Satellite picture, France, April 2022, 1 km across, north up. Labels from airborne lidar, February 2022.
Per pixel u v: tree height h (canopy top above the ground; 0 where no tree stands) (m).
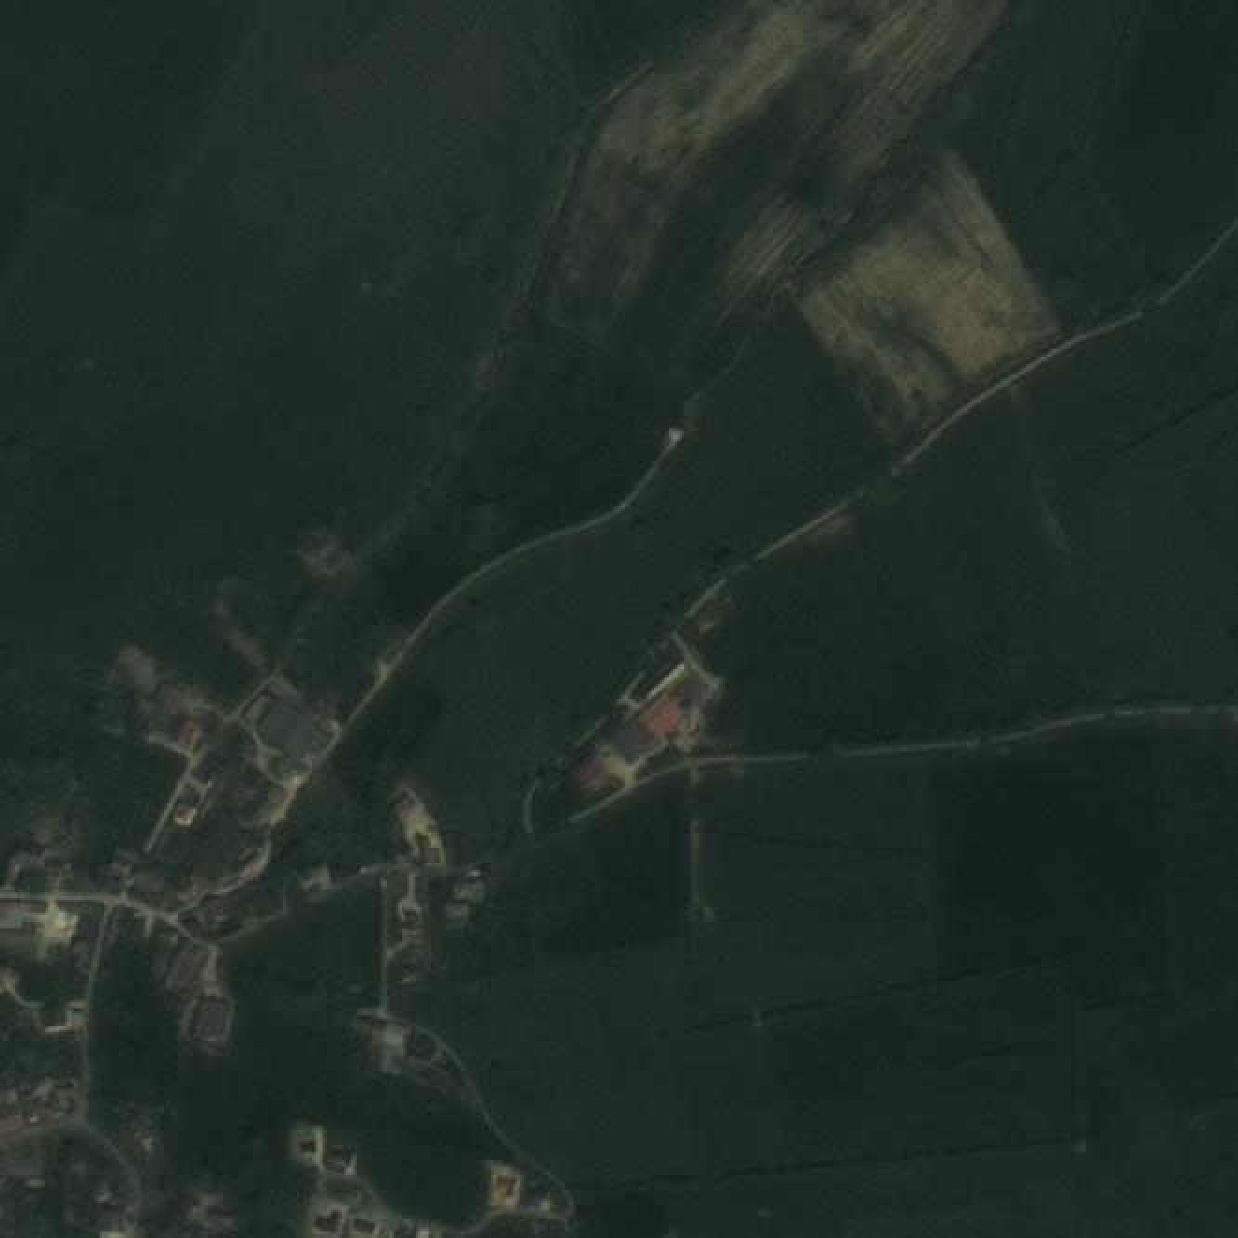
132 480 0
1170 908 0
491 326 0
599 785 0
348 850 0
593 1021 0
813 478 0
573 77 0
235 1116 0
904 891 0
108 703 8
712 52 0
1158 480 0
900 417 0
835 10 0
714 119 0
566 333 0
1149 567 0
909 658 0
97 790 0
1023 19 17
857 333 0
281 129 0
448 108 0
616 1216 0
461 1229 0
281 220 0
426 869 0
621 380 0
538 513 0
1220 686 0
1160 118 0
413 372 0
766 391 0
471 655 0
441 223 0
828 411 0
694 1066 0
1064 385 0
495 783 0
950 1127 0
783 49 0
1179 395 0
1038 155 0
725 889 0
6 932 0
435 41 0
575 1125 0
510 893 0
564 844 0
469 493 0
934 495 0
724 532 0
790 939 0
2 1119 0
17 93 0
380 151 0
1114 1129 0
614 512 0
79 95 0
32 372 0
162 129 0
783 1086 0
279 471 0
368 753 0
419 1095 0
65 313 0
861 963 0
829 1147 0
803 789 0
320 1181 0
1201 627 0
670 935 0
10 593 0
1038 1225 0
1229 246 0
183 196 0
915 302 0
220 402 0
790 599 0
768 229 0
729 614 0
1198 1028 0
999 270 0
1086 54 0
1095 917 0
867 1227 0
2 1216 0
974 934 0
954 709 0
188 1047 0
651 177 0
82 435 0
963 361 0
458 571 0
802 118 0
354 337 0
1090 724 0
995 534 0
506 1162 0
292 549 0
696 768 0
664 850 0
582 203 0
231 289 0
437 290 0
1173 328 0
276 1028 0
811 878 0
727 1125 0
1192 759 0
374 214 0
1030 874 0
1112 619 0
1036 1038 0
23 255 0
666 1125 0
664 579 0
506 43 0
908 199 0
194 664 0
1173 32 0
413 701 0
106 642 0
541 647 0
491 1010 0
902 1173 0
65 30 0
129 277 0
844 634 0
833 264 0
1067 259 0
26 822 0
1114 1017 0
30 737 0
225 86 0
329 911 0
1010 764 0
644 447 0
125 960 0
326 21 0
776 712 0
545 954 0
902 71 0
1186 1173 0
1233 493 0
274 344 0
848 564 0
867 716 0
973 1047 0
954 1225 0
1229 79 0
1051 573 0
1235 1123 0
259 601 0
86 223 0
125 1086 0
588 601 0
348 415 0
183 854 0
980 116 0
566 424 0
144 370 0
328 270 0
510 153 0
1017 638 0
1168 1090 0
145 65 0
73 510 0
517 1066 0
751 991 0
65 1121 0
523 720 0
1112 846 0
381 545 18
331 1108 0
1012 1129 0
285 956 0
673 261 0
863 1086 0
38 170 0
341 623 0
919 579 0
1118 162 0
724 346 0
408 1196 0
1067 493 0
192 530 0
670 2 0
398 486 0
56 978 0
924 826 0
